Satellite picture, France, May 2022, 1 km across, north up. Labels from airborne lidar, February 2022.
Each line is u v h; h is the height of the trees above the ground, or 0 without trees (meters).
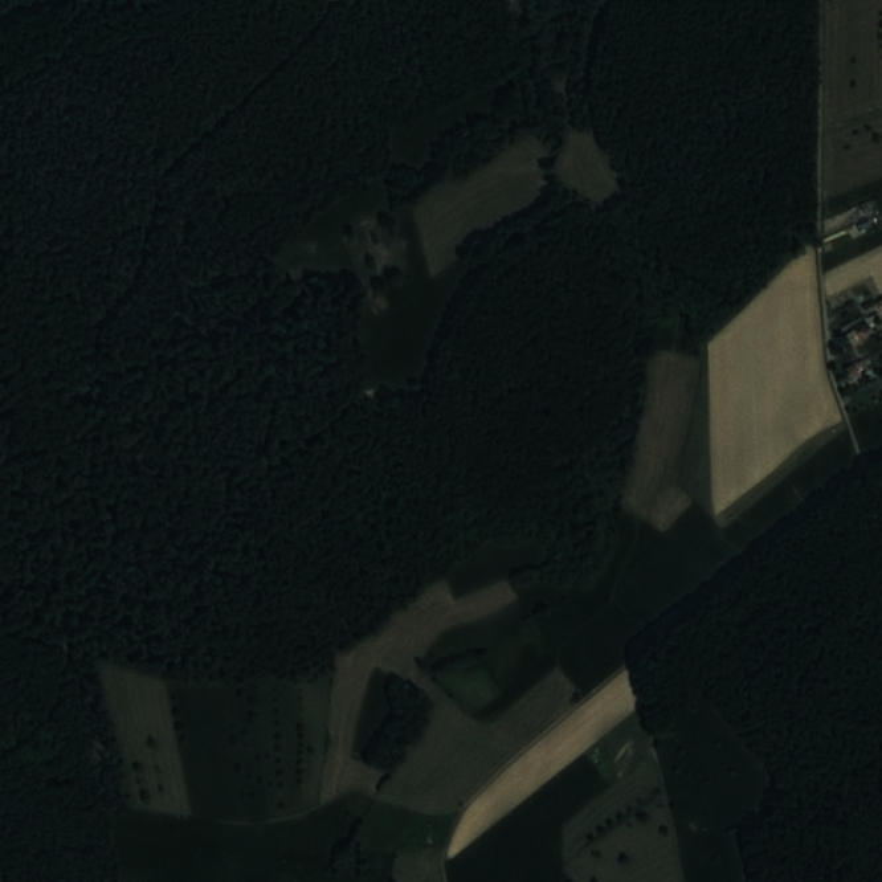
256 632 24
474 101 0
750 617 29
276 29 20
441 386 21
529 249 21
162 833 0
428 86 27
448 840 0
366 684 0
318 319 30
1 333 31
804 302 0
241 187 21
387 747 20
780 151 25
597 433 21
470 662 13
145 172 26
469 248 16
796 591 28
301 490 26
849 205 0
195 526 30
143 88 25
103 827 22
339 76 22
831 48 0
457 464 22
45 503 28
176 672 28
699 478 0
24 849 20
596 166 0
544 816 0
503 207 0
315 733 0
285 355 33
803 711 30
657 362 0
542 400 22
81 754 21
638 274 28
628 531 0
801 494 0
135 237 23
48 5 18
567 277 27
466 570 0
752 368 0
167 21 24
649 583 0
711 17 20
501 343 24
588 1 21
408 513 26
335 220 0
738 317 0
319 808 0
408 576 23
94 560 33
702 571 0
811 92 22
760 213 25
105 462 30
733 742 0
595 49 17
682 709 22
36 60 26
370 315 0
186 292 25
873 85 0
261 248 25
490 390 22
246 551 25
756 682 32
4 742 21
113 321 24
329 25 18
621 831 0
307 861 0
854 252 0
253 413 31
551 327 24
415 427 23
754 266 23
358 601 28
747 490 0
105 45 20
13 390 35
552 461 17
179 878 0
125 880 0
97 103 26
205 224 22
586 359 26
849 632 29
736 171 22
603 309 25
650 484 0
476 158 20
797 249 21
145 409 31
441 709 0
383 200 0
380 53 25
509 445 21
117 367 31
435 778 0
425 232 0
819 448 0
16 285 31
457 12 28
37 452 31
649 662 26
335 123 22
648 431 0
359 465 31
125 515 30
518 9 0
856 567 26
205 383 29
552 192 18
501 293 26
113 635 28
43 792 18
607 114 24
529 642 0
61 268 32
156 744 9
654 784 0
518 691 0
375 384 0
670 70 24
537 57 21
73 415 35
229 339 33
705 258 23
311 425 25
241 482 29
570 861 0
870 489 20
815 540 28
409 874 0
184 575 26
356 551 26
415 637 0
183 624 29
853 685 31
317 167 26
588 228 23
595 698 0
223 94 21
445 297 0
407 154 0
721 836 0
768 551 24
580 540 17
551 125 7
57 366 32
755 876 25
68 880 22
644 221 21
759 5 21
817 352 0
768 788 0
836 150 0
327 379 28
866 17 0
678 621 28
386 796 0
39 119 29
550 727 0
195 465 32
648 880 0
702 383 0
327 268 0
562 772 0
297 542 28
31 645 21
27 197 26
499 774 0
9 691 23
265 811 0
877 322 10
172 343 34
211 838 0
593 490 7
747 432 0
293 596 29
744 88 28
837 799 27
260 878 0
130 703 0
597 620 0
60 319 33
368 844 0
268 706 0
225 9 22
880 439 0
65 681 17
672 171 23
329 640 25
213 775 0
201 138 18
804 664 29
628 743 0
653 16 24
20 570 33
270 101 17
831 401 0
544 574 11
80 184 27
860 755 27
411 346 0
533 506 17
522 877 0
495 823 0
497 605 0
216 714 0
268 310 31
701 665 30
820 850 25
